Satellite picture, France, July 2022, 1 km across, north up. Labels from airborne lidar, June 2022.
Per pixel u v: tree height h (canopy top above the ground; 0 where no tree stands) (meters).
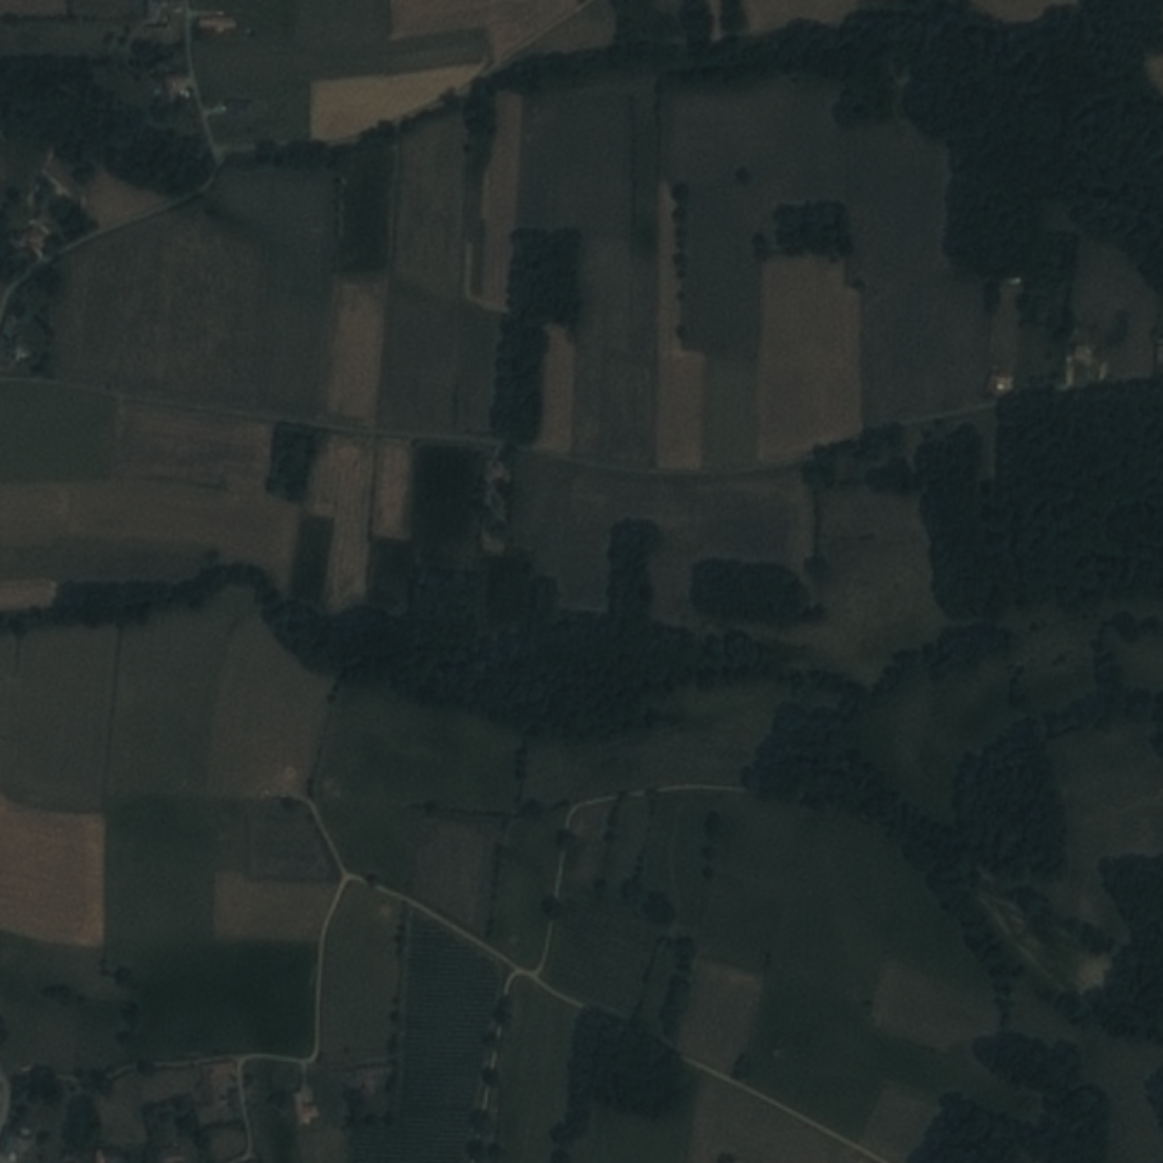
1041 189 19
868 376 0
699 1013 0
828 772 23
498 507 6
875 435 16
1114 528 27
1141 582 30
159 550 0
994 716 0
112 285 0
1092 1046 0
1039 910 20
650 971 9
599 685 25
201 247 0
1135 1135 0
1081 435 19
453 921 0
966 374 0
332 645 29
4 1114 0
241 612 0
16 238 8
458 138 0
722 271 0
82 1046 0
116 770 0
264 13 0
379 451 0
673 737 0
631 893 16
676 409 0
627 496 0
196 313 0
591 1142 0
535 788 0
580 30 0
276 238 0
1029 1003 0
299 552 0
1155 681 0
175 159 13
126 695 0
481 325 0
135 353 0
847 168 0
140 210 0
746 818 0
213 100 0
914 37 18
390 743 0
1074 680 0
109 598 25
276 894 0
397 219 0
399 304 0
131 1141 0
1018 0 0
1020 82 25
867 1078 0
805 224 22
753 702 0
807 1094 0
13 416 0
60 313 0
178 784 0
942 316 0
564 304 17
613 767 0
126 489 0
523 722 25
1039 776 19
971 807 17
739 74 12
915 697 0
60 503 0
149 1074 10
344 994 0
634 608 16
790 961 0
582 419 0
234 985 0
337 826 0
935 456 13
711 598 21
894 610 0
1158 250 26
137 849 0
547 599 16
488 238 0
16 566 0
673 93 0
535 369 15
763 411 0
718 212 0
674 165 0
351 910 0
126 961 0
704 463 0
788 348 0
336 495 0
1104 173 33
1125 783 0
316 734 0
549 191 0
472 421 0
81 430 0
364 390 0
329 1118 0
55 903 0
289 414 0
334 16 0
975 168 27
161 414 0
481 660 23
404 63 0
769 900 0
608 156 0
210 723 0
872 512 0
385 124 12
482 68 0
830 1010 0
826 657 0
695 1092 0
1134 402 16
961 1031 0
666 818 0
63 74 16
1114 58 20
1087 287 0
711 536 0
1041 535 30
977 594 28
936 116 27
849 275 0
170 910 0
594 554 0
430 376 0
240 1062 0
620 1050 23
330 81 0
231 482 0
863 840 0
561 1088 0
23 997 0
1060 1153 25
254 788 0
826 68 19
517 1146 0
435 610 25
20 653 0
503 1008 10
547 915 11
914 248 0
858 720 17
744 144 0
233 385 0
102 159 13
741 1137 0
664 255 0
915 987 0
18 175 0
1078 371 0
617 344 0
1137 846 0
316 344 0
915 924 0
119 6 0
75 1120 19
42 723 0
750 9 0
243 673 0
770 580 21
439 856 0
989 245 23
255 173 0
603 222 0
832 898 0
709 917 0
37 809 0
